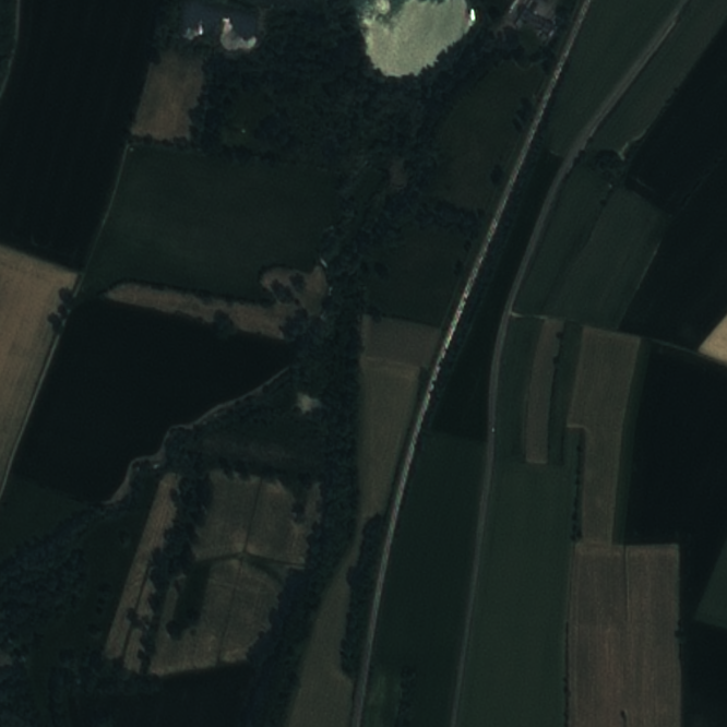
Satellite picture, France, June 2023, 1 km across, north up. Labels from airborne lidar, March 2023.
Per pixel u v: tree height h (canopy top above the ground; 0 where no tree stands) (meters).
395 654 0
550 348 0
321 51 17
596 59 0
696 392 0
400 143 23
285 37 7
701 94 0
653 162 0
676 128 0
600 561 0
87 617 0
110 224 0
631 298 0
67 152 0
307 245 0
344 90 17
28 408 0
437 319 0
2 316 0
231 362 0
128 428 0
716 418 0
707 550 0
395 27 0
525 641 0
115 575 0
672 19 0
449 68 17
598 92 0
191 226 0
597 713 0
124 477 0
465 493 0
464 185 0
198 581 0
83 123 0
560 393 0
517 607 0
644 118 0
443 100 25
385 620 0
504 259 0
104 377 0
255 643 0
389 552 0
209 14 0
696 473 0
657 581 0
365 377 0
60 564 27
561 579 0
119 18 0
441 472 0
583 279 0
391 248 21
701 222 0
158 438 0
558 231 0
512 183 0
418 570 0
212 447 0
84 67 0
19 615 29
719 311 0
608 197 0
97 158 0
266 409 14
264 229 0
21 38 0
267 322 0
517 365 0
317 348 26
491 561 0
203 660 0
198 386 0
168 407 0
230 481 0
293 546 0
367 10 0
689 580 0
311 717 0
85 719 0
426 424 7
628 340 0
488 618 0
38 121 0
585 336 0
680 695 0
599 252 0
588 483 0
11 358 0
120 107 0
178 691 0
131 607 0
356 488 8
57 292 0
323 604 0
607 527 0
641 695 0
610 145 0
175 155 0
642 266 0
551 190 0
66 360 0
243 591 0
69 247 0
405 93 22
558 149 0
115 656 0
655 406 0
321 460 0
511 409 0
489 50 26
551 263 0
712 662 0
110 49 0
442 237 0
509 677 0
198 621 18
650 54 0
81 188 0
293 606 28
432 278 0
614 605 0
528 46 0
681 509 0
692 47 0
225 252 0
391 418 0
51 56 0
